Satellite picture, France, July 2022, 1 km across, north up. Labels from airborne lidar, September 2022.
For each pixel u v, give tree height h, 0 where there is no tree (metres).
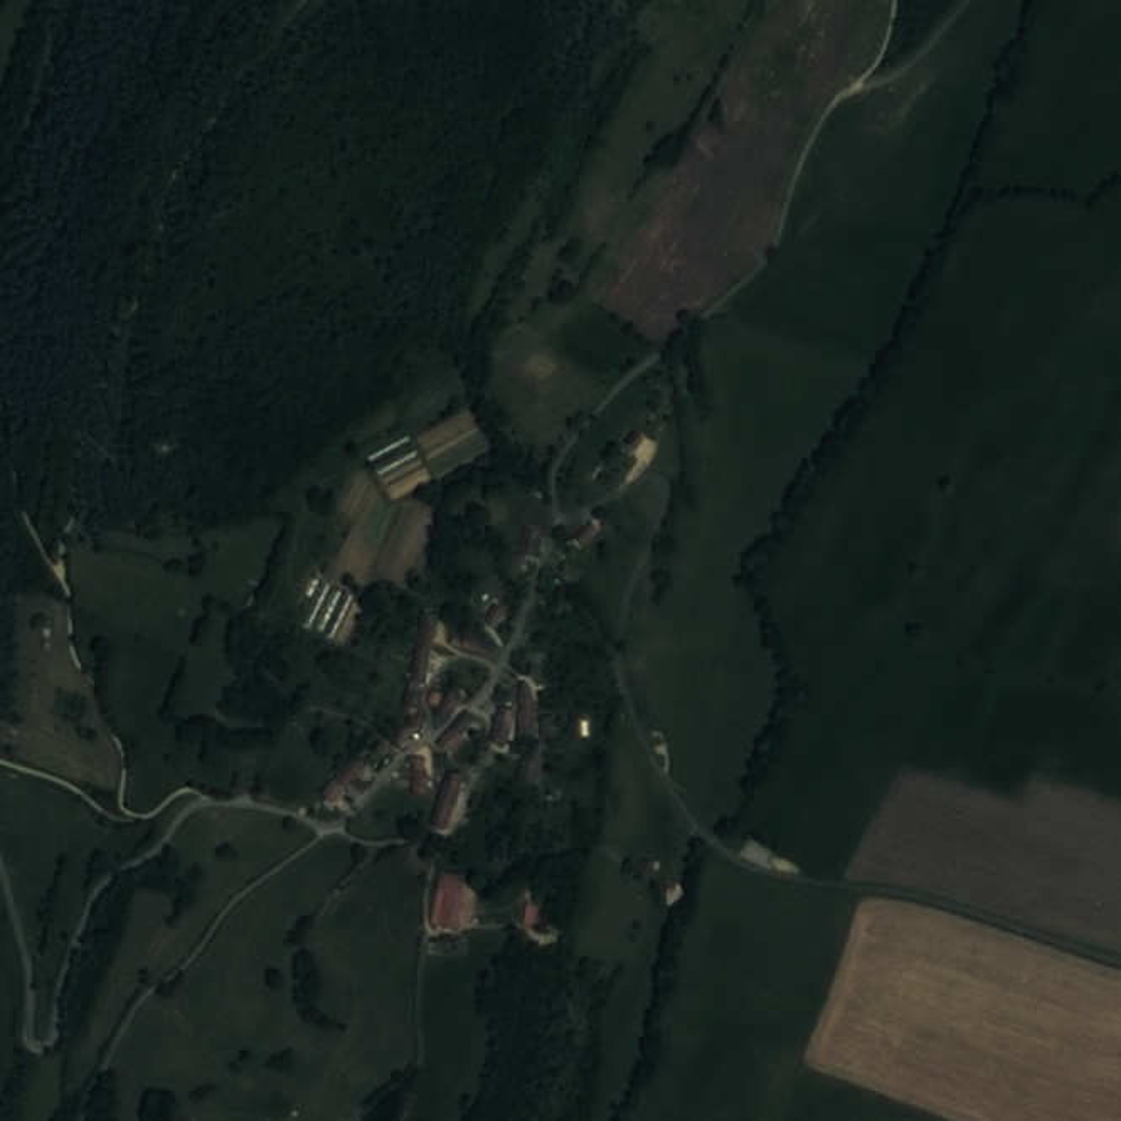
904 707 0
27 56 16
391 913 0
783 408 0
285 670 16
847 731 0
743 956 0
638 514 0
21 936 0
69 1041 11
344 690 0
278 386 14
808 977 0
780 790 0
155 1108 18
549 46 17
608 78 7
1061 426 0
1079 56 0
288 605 0
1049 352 0
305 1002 18
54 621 0
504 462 20
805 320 0
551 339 0
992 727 0
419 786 0
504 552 13
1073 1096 0
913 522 0
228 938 0
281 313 11
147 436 10
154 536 11
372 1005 0
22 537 6
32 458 15
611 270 0
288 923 0
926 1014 0
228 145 17
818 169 0
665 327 0
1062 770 0
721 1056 0
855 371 0
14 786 0
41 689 0
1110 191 13
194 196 10
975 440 0
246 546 0
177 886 11
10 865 0
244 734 15
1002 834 0
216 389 12
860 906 0
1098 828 0
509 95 15
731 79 0
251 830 0
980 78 0
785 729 13
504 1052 9
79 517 17
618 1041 0
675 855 0
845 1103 0
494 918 0
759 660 0
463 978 0
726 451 0
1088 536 0
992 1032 0
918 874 0
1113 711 0
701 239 0
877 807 0
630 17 7
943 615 0
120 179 23
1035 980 0
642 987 0
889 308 0
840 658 0
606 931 0
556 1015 12
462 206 14
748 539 0
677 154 10
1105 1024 0
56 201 24
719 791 0
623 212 0
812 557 0
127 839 0
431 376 0
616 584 0
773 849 9
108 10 25
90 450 17
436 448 0
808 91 0
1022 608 0
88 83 24
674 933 20
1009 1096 0
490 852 9
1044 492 0
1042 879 0
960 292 0
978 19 0
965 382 0
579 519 0
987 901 0
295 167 8
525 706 0
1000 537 0
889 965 0
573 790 0
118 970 0
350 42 15
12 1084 8
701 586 0
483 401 16
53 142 18
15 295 21
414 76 14
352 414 13
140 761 0
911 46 6
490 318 8
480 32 19
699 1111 0
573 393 0
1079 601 0
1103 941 0
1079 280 0
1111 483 0
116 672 0
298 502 0
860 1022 0
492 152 14
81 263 29
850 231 0
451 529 20
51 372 21
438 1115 0
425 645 0
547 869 13
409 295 10
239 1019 0
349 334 10
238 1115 0
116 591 0
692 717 0
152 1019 0
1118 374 0
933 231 0
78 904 0
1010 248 0
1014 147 0
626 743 0
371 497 0
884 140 0
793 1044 0
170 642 0
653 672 0
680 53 0
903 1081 0
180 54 22
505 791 12
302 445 21
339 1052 0
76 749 0
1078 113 0
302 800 0
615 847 0
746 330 0
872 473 0
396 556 0
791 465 0
